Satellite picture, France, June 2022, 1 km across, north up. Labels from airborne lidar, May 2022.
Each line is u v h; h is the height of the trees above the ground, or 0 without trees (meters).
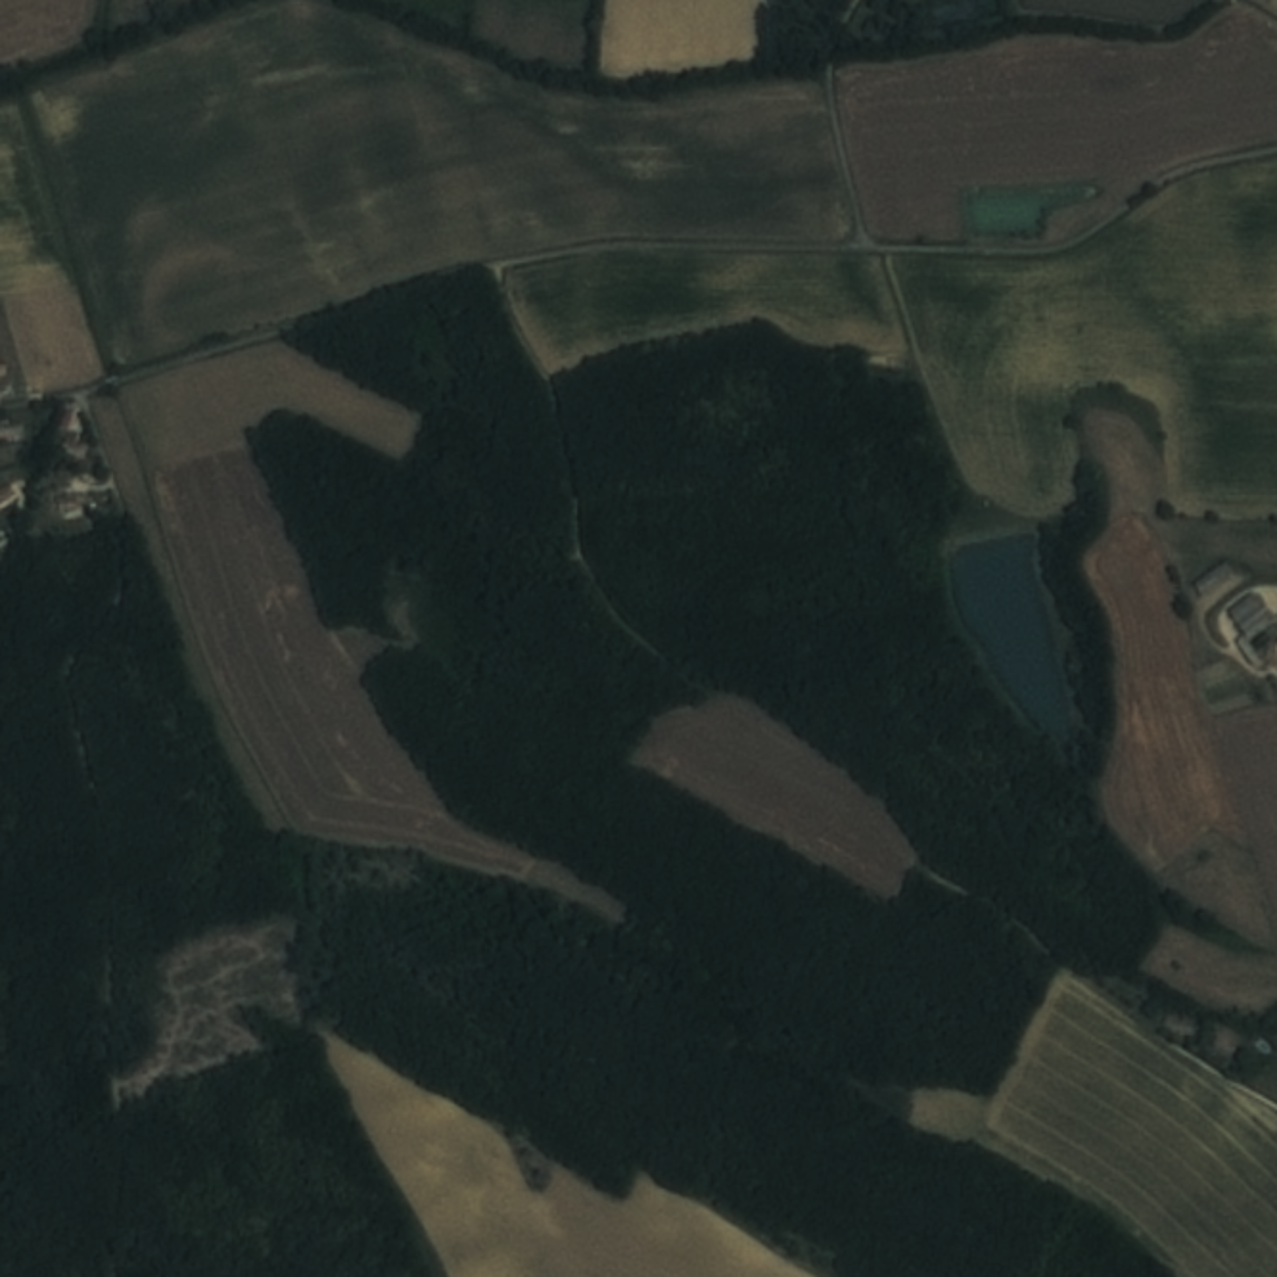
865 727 18
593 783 14
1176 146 0
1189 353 0
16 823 17
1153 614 0
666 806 18
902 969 18
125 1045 12
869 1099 9
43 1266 18
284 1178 21
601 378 16
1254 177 0
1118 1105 0
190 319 0
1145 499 0
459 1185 0
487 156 0
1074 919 20
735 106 0
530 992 21
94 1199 17
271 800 0
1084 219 0
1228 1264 0
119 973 10
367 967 15
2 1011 22
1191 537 0
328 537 15
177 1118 21
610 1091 20
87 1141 17
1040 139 0
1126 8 0
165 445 0
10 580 10
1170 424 0
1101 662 14
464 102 0
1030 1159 0
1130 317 0
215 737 15
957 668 20
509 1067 13
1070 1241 7
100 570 14
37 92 0
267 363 0
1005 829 23
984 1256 20
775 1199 16
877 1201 18
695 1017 24
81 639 15
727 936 14
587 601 16
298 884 20
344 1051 0
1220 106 0
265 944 0
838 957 17
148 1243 17
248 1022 15
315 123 0
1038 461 0
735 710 0
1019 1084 0
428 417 8
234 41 0
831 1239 16
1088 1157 0
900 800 16
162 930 18
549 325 0
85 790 10
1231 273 0
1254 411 0
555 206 0
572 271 0
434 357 18
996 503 0
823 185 0
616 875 18
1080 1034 0
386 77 0
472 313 17
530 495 15
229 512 0
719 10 0
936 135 0
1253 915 0
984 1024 16
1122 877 19
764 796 0
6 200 0
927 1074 19
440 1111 0
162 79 0
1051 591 11
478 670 7
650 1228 0
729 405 17
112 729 14
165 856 14
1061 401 0
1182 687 0
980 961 15
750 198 0
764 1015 24
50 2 0
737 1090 21
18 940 23
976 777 22
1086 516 13
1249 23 0
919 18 17
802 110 0
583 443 19
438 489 18
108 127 0
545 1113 13
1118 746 0
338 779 0
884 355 0
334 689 0
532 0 0
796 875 22
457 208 0
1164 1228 0
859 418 14
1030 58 0
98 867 14
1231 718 0
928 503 13
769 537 7
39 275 0
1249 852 0
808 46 29
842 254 0
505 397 16
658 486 14
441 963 18
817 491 15
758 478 15
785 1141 20
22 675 15
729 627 9
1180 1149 0
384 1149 0
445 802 13
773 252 0
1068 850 18
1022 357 0
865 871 0
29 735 19
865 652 13
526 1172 0
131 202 0
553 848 21
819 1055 19
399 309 22
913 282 0
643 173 0
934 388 0
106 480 13
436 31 24
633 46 0
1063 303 0
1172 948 0
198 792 22
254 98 0
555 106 0
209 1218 19
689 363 18
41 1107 22
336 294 0
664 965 26
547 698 14
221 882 15
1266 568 0
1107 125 0
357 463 11
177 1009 0
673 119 0
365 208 0
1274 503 0
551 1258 0
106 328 0
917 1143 19
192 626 0
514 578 8
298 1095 23
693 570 6
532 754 16
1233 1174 0
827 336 0
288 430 12
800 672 14
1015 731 20
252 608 0
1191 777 0
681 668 12
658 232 0
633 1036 25
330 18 0
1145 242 0
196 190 0
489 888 19
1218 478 0
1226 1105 0
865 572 15
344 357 18
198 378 0
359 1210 20
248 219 0
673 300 0
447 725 11
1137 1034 0
